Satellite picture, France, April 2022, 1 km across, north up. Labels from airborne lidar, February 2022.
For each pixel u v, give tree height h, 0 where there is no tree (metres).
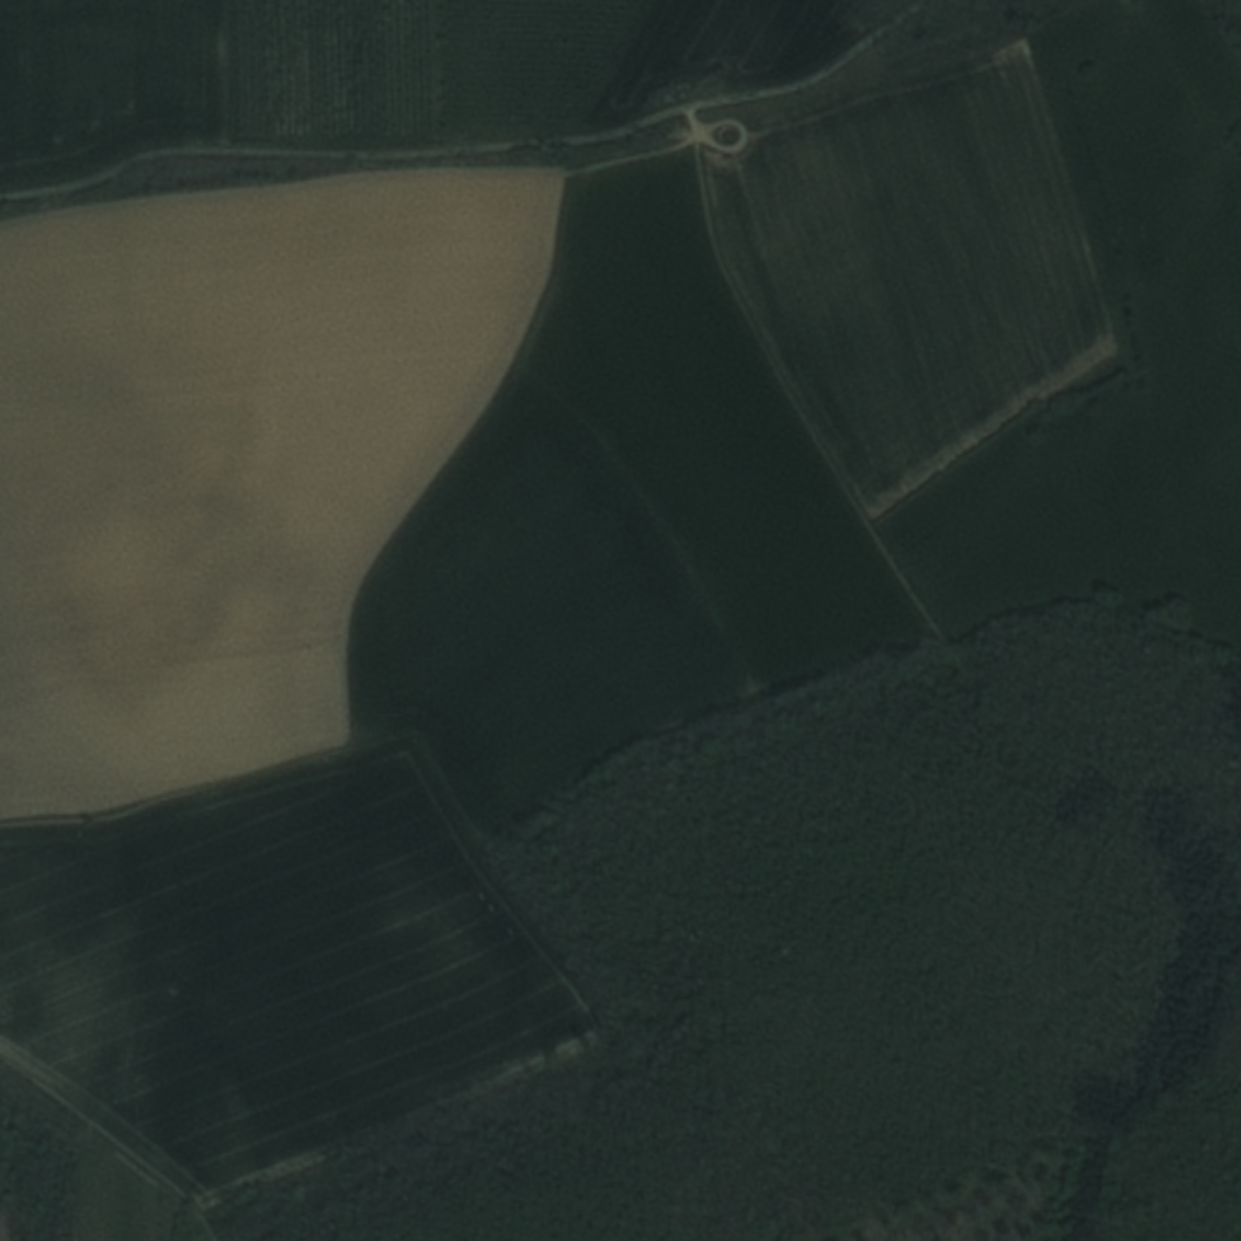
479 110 0
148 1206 0
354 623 0
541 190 0
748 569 0
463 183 0
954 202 0
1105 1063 17
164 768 0
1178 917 15
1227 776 19
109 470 0
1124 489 0
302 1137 0
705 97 0
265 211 0
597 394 0
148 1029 0
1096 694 17
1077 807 20
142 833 0
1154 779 15
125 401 0
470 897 0
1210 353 0
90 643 0
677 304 0
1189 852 20
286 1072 0
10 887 0
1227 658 18
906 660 16
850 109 0
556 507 0
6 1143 17
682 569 0
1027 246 0
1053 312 0
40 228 0
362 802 0
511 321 0
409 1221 17
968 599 0
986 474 0
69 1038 0
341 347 0
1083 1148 17
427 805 0
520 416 0
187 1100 0
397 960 0
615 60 0
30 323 0
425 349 0
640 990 24
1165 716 18
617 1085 20
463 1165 18
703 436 0
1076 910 15
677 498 0
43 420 0
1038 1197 25
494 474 0
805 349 0
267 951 0
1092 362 0
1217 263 0
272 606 0
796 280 0
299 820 0
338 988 0
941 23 0
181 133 0
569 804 8
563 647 0
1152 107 0
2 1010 0
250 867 0
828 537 0
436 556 0
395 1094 0
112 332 0
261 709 0
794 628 0
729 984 17
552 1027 0
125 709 0
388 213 0
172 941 0
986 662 13
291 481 0
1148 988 16
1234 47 12
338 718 0
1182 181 0
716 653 0
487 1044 0
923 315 0
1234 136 10
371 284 0
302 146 0
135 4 0
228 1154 0
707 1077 17
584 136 0
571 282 0
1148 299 0
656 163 0
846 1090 14
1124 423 0
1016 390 0
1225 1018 24
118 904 0
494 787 0
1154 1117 19
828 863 17
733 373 0
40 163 0
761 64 0
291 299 0
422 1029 0
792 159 0
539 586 0
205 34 0
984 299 0
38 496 0
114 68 0
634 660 0
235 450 0
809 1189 18
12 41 0
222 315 0
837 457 0
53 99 0
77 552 0
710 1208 16
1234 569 0
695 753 21
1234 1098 12
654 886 18
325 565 0
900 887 14
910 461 0
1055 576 0
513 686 0
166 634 0
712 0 0
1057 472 0
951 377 0
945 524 0
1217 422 0
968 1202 27
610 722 0
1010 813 16
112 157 0
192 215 0
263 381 0
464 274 0
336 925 0
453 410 0
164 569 0
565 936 14
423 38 6
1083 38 0
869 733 19
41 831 0
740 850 20
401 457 0
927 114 0
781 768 21
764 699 11
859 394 0
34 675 0
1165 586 0
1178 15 0
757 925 16
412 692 0
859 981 14
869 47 0
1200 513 0
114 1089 0
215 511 0
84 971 0
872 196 0
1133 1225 16
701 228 0
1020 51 0
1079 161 0
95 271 0
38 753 0
